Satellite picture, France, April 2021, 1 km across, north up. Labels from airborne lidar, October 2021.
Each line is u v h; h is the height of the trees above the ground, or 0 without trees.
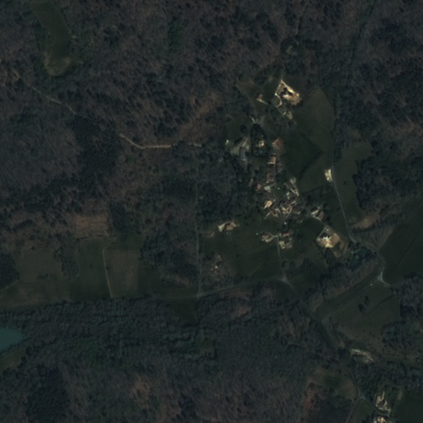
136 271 0
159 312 19
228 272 17
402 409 0
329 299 24
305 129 0
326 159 0
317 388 14
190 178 21
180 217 19
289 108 13
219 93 13
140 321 17
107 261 0
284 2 11
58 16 0
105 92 16
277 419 11
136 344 16
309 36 12
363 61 12
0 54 17
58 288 0
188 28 17
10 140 14
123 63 15
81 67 13
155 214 18
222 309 15
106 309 8
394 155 9
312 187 0
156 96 19
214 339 18
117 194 12
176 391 15
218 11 17
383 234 26
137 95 18
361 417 0
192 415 24
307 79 18
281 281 0
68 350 17
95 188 16
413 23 13
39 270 0
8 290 0
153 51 15
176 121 11
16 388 11
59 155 19
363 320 0
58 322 11
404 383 14
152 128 11
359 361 23
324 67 22
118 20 15
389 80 20
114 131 13
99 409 24
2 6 19
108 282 0
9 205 19
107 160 20
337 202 0
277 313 12
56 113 11
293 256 0
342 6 12
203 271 18
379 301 0
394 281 0
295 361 22
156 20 10
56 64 0
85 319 18
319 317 0
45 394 23
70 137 18
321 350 10
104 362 24
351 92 19
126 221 17
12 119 8
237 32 19
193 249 15
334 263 12
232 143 0
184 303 0
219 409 17
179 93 14
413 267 0
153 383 23
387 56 7
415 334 16
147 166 15
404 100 23
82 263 0
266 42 13
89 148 18
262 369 20
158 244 17
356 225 0
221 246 0
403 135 16
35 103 14
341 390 0
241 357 20
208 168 19
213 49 17
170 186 19
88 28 16
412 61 14
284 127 13
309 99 0
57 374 7
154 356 24
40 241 20
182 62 13
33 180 15
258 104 0
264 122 0
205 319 16
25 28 19
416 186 17
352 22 17
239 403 7
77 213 22
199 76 19
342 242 0
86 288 0
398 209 14
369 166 14
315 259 0
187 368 17
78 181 12
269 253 0
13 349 12
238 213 20
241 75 10
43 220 12
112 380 21
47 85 16
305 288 0
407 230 0
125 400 15
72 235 16
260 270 0
